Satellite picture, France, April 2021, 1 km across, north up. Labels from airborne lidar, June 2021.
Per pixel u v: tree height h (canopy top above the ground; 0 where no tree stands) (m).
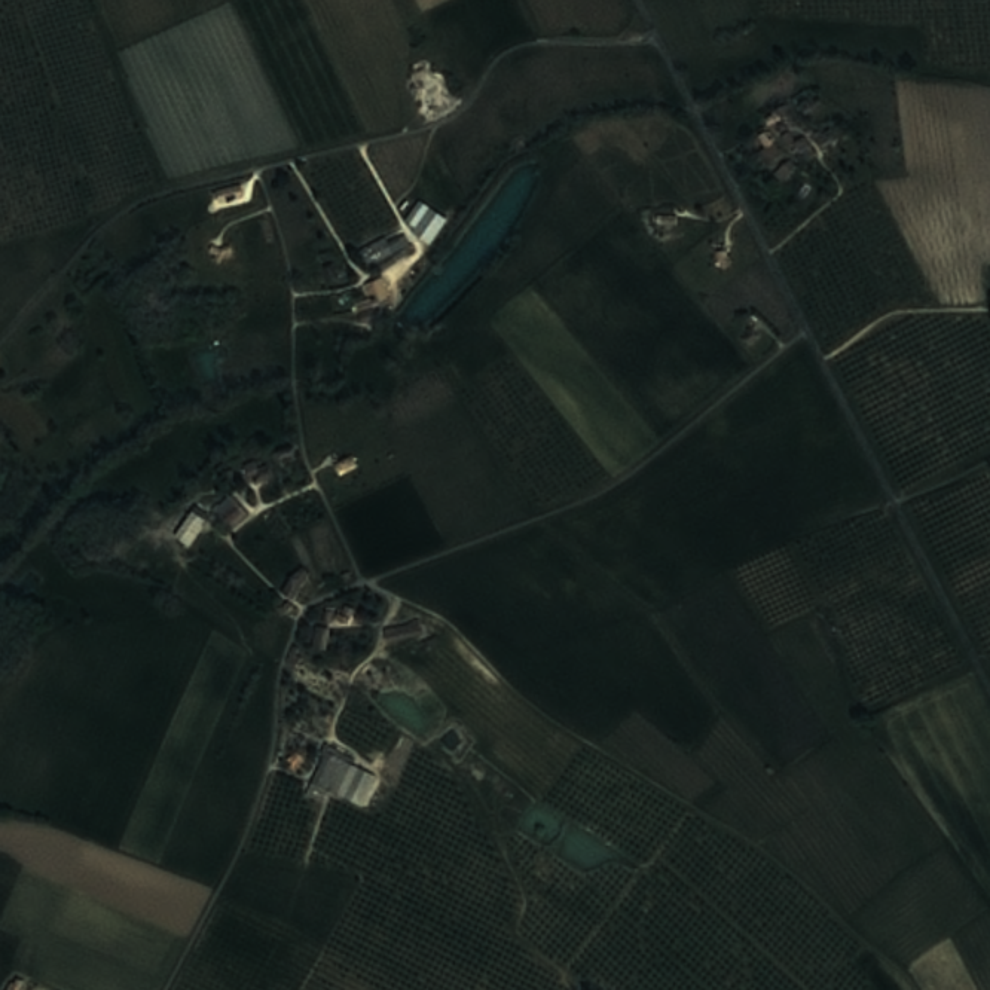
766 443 0
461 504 0
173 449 0
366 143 0
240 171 0
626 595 0
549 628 0
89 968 0
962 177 0
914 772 0
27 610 19
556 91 0
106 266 8
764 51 0
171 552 0
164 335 17
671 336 0
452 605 0
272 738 0
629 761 0
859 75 0
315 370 23
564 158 0
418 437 0
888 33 0
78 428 0
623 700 0
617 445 0
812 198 0
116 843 0
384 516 0
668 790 0
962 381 6
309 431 0
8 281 0
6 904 0
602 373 0
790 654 0
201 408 24
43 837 0
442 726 0
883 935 0
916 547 0
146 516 12
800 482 0
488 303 0
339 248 0
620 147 0
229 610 0
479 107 0
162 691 0
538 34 0
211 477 0
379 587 0
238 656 0
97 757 0
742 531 0
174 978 0
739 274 0
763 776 0
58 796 0
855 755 0
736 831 0
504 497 0
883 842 0
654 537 0
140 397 0
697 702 0
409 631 0
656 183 0
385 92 0
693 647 0
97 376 0
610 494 0
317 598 0
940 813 0
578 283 0
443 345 0
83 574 15
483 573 0
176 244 17
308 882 0
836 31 0
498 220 0
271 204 0
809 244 6
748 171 13
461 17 0
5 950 0
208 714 0
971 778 0
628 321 0
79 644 0
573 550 0
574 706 0
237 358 0
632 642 0
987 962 0
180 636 0
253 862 0
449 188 0
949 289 0
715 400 0
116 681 0
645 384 0
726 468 0
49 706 0
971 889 0
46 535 31
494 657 0
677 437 0
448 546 0
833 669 0
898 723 0
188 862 0
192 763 0
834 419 0
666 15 0
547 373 0
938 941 0
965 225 0
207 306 15
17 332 0
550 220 0
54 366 0
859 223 5
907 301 5
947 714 0
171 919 0
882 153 0
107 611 0
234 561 0
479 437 0
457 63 0
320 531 0
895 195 0
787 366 0
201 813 0
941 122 0
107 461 20
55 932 0
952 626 0
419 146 0
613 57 0
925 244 0
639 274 0
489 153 0
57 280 0
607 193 0
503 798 0
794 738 0
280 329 0
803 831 0
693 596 0
